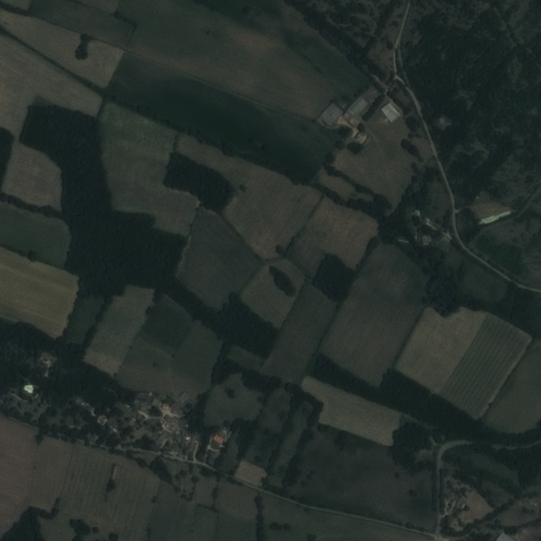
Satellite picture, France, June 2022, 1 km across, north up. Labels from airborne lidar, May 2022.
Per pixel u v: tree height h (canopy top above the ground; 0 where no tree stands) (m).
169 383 0
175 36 0
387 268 0
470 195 9
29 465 0
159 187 0
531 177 8
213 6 6
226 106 0
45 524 0
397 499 0
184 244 11
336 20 11
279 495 8
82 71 0
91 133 16
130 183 0
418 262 7
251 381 14
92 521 0
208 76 0
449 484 7
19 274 0
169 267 15
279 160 0
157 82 0
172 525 0
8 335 12
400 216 9
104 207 21
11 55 0
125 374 0
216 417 0
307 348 0
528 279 0
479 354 0
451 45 8
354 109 0
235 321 17
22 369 10
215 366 8
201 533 0
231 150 29
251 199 0
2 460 0
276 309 0
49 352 9
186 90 0
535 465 9
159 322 0
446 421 15
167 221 0
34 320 0
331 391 0
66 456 0
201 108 0
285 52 0
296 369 0
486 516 7
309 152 0
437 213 0
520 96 7
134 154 0
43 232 0
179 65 0
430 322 0
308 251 0
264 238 0
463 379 0
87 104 0
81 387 6
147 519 0
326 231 0
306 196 0
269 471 10
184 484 0
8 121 0
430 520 0
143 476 0
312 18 9
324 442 0
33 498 0
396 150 0
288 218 0
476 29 8
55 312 0
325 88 0
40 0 0
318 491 0
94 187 24
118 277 19
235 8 0
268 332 19
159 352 0
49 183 0
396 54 7
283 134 0
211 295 0
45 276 0
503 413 0
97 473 0
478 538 8
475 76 6
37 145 9
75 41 0
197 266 0
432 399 11
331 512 0
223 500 0
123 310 0
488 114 6
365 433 0
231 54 0
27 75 0
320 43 0
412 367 0
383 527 0
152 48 0
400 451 13
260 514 7
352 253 0
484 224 6
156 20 0
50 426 10
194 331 0
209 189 18
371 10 6
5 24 0
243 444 10
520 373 0
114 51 0
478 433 16
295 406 13
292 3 8
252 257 0
